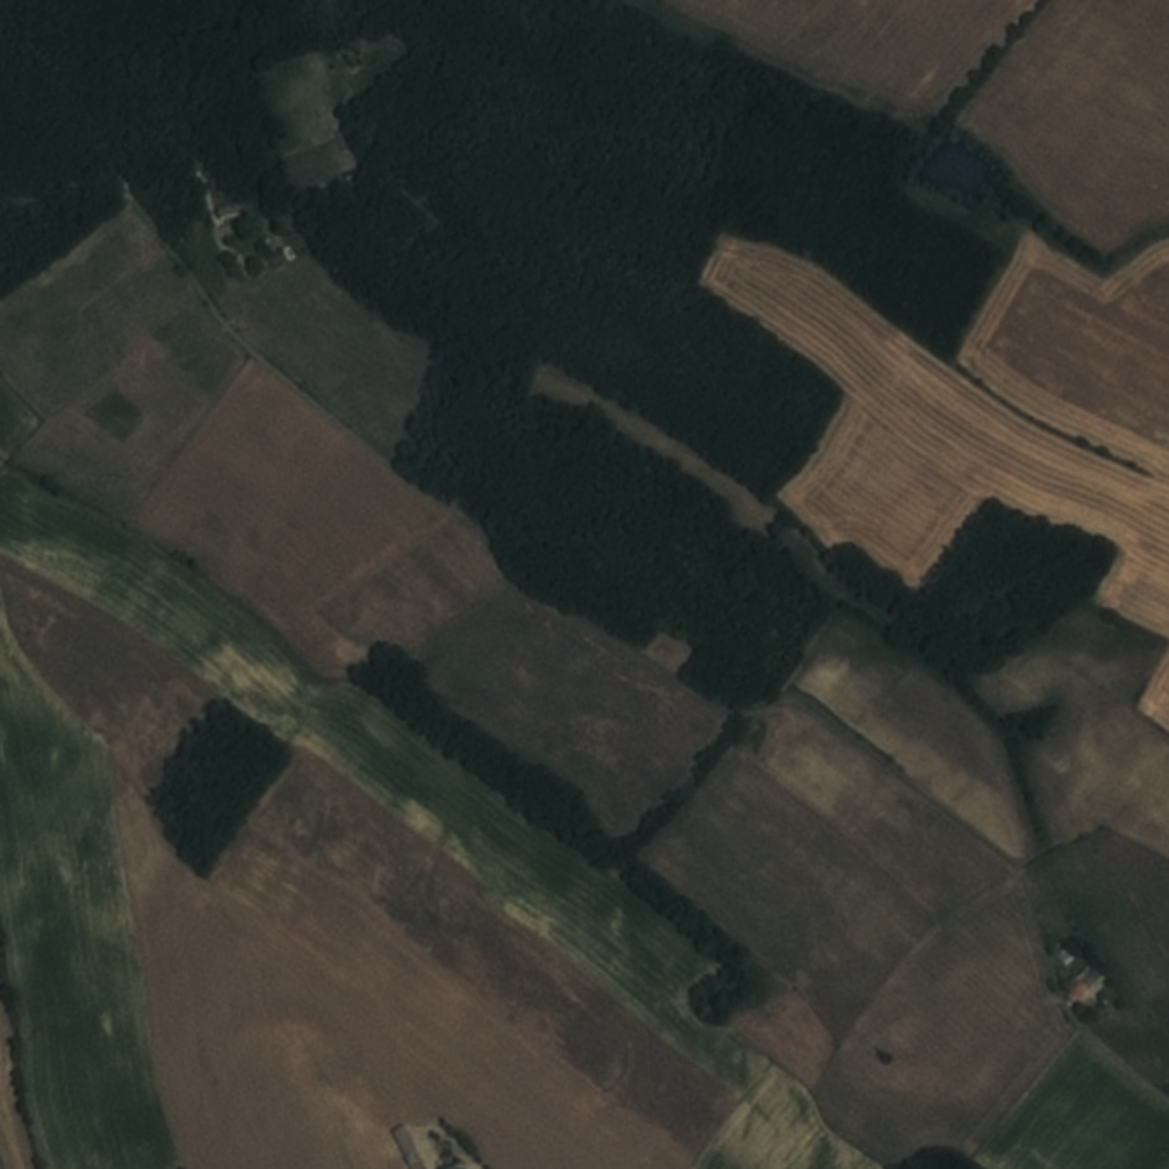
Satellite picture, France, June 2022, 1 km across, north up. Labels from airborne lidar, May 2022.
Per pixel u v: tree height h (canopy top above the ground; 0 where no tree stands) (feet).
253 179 57
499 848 0
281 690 0
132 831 0
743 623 73
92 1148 0
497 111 52
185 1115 0
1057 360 0
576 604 38
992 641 74
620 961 0
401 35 41
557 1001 0
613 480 67
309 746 0
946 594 70
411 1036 0
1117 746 0
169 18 36
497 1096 0
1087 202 0
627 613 44
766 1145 0
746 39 0
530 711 0
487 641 0
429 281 59
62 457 0
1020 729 29
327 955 0
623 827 0
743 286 0
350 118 36
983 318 0
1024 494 0
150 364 0
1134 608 0
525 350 65
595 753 0
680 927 34
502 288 39
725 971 51
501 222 47
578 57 74
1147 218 0
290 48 37
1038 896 0
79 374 0
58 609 0
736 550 41
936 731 0
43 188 52
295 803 0
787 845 0
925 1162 50
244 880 0
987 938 0
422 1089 0
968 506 0
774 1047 0
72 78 45
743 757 0
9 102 52
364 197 35
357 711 0
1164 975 0
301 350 0
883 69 0
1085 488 0
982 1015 0
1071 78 0
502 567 39
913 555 0
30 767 0
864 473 0
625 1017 0
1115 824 0
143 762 0
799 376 44
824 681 0
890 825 0
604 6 87
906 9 0
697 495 77
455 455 52
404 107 35
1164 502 0
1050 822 0
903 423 0
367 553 0
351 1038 0
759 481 54
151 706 0
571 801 56
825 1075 0
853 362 0
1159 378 0
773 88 69
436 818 0
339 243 72
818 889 0
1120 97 0
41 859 0
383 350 0
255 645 0
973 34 0
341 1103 0
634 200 56
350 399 0
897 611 53
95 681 0
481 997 0
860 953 0
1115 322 0
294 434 0
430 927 0
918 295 33
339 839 0
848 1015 0
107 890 0
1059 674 0
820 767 0
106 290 0
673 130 65
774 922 0
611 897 0
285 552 0
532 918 0
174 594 0
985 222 0
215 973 0
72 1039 0
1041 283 0
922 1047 0
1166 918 0
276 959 0
